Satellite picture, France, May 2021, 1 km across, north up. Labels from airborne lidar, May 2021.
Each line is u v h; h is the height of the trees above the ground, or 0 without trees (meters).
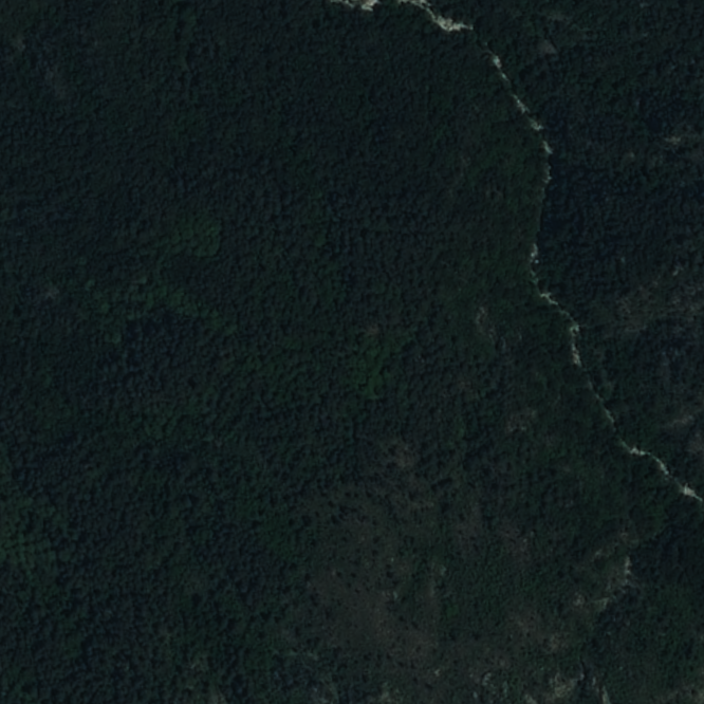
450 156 16
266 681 7
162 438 13
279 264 27
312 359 14
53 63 9
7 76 12
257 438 16
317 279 21
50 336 12
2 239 6
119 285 14
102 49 7
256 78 25
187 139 9
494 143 15
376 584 7
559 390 10
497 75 20
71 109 9
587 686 19
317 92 12
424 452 28
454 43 19
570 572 9
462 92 12
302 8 18
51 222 10
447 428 17
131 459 8
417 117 17
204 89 22
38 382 13
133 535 27
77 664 11
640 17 9
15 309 8
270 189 29
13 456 29
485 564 8
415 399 23
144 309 15
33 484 26
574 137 8
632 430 13
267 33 27
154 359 29
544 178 23
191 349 34
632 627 7
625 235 13
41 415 20
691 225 7
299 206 28
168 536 20
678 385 13
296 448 11
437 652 13
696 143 10
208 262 18
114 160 11
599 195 11
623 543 10
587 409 27
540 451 14
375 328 30
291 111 20
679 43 9
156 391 32
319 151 9
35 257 8
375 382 21
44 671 18
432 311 8
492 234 16
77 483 27
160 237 14
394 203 30
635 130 16
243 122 24
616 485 8
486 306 20
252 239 14
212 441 9
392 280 25
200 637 16
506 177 10
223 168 14
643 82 22
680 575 14
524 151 16
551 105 16
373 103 17
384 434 26
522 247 20
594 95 22
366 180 22
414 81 10
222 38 26
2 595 17
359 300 26
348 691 14
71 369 20
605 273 7
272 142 16
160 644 14
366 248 32
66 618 22
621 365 14
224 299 19
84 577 32
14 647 21
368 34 11
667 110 12
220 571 19
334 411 26
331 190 8
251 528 21
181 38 23
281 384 22
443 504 16
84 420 16
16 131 17
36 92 11
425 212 31
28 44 13
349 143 23
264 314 19
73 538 22
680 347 7
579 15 11
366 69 11
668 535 15
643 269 8
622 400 18
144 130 22
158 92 26
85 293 12
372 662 21
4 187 18
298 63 12
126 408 13
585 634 10
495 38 23
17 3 11
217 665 29
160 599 24
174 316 18
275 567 22
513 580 12
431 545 6
